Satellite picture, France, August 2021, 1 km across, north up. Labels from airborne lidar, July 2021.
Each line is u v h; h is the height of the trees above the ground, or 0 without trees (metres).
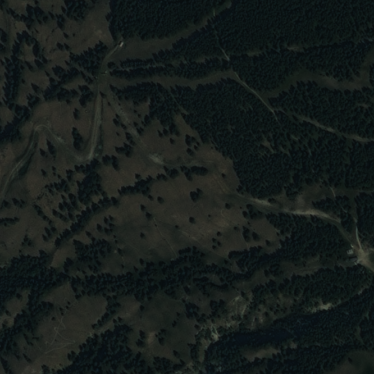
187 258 13
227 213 0
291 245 23
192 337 0
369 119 19
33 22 25
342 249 24
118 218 0
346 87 0
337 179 24
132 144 16
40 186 0
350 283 23
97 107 0
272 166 22
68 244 0
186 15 27
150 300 23
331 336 22
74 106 0
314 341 23
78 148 18
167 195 0
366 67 0
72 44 0
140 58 0
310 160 25
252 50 20
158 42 0
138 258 0
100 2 0
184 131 0
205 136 23
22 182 0
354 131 24
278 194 21
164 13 25
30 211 0
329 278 21
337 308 7
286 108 22
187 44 25
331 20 24
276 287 26
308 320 11
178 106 25
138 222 0
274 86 24
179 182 0
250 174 23
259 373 0
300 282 27
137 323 0
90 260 20
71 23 0
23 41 28
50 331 0
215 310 13
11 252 0
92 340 14
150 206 0
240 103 25
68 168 0
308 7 21
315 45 20
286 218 26
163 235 0
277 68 24
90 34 0
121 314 0
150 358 0
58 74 22
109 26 0
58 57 0
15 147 0
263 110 23
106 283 17
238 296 0
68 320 0
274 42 21
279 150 20
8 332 14
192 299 0
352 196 0
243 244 0
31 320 19
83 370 23
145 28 27
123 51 0
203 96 28
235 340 16
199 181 0
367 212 24
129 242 0
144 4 27
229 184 0
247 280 18
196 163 0
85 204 22
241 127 26
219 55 20
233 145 24
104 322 11
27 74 0
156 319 0
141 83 0
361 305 24
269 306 0
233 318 14
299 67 23
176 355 21
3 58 0
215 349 23
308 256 28
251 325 0
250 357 0
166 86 0
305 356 30
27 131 0
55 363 0
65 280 26
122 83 0
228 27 25
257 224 0
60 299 0
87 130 0
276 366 29
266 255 0
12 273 31
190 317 19
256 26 25
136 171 0
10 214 0
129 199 0
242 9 20
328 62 21
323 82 0
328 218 0
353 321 13
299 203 0
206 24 0
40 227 0
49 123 0
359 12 19
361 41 0
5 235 0
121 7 22
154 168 0
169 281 15
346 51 23
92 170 28
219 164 0
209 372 14
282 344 22
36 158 0
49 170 0
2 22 0
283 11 21
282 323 8
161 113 24
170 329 0
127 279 15
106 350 20
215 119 28
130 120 0
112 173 0
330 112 23
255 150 29
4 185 0
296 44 22
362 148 27
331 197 0
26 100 0
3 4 18
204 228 0
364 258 0
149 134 0
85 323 0
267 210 0
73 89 0
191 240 0
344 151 25
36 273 19
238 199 0
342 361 21
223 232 0
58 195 0
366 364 0
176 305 0
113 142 0
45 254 21
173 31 27
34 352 0
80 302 0
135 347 0
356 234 0
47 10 0
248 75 25
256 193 20
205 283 18
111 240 0
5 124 0
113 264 0
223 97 26
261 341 10
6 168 0
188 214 0
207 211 0
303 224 26
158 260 0
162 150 0
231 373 24
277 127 26
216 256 0
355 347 19
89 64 26
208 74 22
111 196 0
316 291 29
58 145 0
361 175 23
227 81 0
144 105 0
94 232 0
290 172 27
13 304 0
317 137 0
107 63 0
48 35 0
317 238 28
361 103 21
